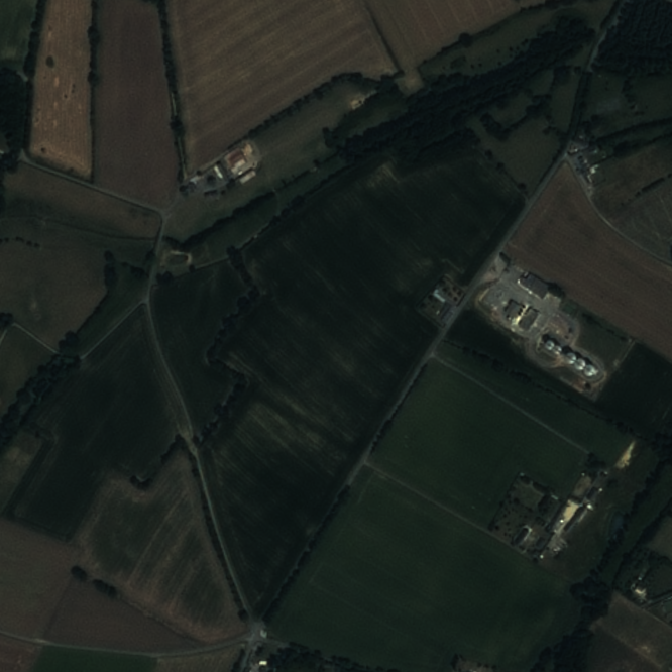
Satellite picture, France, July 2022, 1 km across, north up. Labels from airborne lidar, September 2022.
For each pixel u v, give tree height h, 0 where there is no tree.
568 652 22
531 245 0
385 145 17
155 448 0
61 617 0
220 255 0
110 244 0
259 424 0
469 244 0
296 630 0
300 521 0
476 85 21
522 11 6
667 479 0
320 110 0
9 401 0
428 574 0
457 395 0
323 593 0
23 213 0
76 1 0
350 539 0
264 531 0
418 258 0
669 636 0
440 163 0
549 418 0
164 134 0
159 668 0
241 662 8
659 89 0
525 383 13
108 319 0
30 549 0
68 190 0
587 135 10
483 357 12
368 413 0
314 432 0
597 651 0
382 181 0
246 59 0
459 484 0
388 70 0
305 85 0
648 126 9
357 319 0
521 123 7
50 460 0
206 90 0
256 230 0
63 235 0
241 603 9
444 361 0
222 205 0
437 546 0
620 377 0
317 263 0
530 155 0
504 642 0
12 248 0
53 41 0
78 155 0
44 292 0
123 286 0
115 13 0
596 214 0
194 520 0
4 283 0
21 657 0
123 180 0
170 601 0
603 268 0
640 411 0
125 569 0
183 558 0
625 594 7
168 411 0
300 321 0
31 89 7
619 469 0
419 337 0
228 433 0
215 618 0
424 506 0
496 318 0
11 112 17
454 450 0
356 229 0
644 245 0
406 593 0
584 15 0
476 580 0
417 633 0
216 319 0
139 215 0
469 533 0
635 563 6
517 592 0
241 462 0
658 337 0
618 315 0
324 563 0
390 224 0
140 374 0
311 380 0
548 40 17
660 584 0
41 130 0
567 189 0
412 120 17
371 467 0
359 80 17
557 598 0
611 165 0
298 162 0
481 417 0
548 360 0
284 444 0
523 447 0
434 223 0
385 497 0
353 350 0
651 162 0
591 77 11
